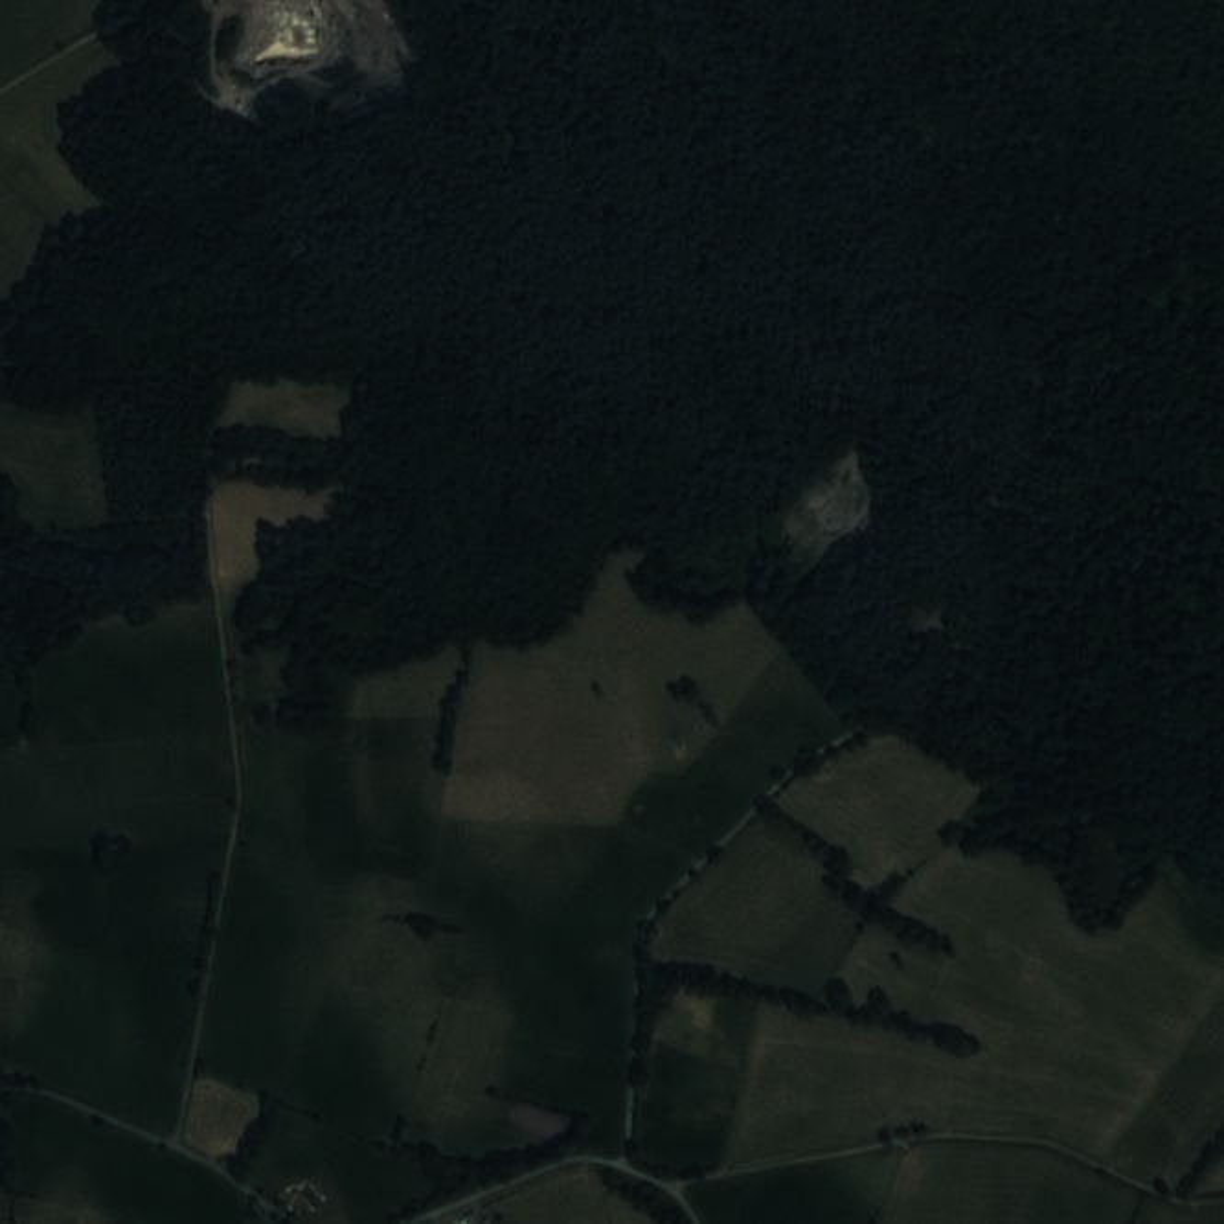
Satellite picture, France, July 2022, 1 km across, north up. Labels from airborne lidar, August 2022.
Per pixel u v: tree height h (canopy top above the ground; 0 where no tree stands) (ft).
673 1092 0
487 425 58
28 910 0
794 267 74
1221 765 83
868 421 45
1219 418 75
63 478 0
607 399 72
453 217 71
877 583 84
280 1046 0
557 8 31
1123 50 52
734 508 74
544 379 63
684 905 0
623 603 0
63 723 0
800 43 80
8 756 0
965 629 53
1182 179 61
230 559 0
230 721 0
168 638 0
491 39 61
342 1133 0
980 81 60
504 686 0
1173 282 78
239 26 25
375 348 72
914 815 0
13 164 0
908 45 63
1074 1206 0
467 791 0
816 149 54
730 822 0
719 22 64
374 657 20
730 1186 0
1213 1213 0
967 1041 66
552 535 60
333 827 0
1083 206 59
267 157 52
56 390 66
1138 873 41
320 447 41
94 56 0
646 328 70
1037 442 32
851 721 67
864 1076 0
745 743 0
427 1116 0
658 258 63
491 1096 29
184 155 59
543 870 0
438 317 60
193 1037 0
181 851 0
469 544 60
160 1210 0
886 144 70
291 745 0
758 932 0
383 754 0
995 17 42
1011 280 62
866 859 0
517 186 83
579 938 0
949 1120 0
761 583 43
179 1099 0
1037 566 73
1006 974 0
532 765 0
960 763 44
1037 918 0
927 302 66
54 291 92
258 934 0
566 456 71
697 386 68
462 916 0
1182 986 0
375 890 0
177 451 28
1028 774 57
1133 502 17
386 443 57
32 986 0
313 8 0
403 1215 29
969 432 66
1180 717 55
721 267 77
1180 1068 0
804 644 53
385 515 64
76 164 66
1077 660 50
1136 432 72
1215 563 73
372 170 78
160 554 65
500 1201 0
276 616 33
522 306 68
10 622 84
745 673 0
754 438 59
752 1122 0
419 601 70
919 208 67
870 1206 0
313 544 78
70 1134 0
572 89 78
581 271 74
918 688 68
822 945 0
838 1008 58
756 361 44
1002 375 67
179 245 69
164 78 82
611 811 0
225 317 72
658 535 79
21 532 23
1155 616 28
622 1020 0
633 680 0
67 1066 0
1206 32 31
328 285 34
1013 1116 0
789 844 0
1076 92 57
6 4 0
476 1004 0
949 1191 0
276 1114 39
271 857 0
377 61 0
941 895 0
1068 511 43
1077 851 62
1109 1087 0
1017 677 72
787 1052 0
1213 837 70
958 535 84
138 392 37
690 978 73
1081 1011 0
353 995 0
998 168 57
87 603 77
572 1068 0
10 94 0
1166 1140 0
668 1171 31
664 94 80
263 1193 23
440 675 0
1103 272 53
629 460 63
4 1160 56
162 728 0
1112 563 31
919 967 0
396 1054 0
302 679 48
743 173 67
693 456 39
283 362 48
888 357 65
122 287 71
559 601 72
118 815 0
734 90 20
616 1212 0
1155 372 65
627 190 79
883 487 56
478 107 85
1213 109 43
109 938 0
